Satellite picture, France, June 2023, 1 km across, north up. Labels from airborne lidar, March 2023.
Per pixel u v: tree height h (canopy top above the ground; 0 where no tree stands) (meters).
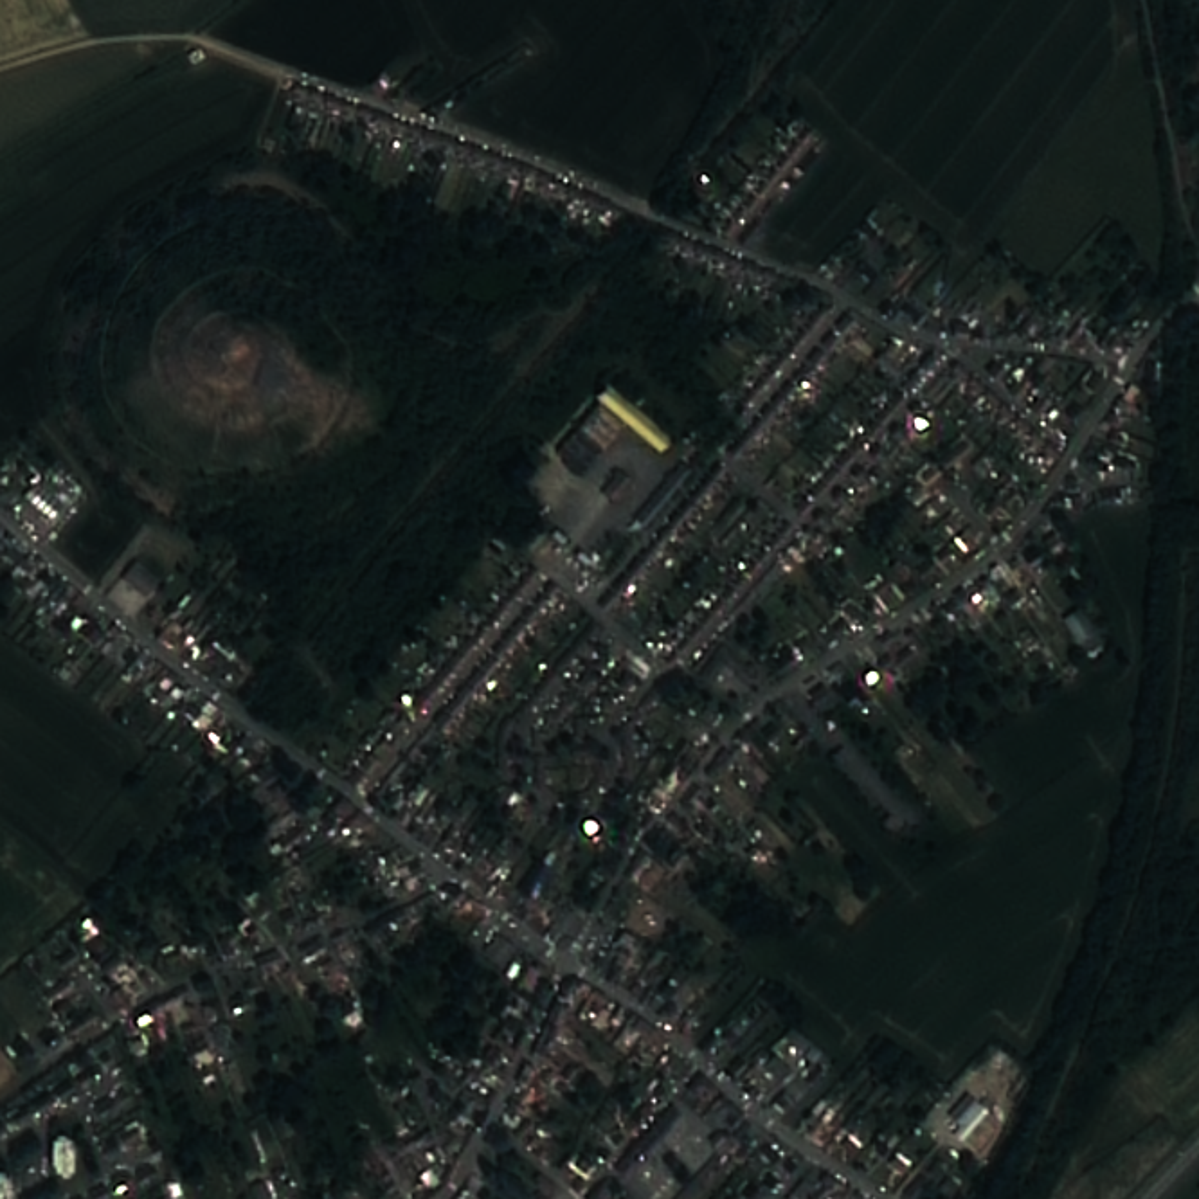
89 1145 14
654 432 0
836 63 0
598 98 0
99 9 0
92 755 0
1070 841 0
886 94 0
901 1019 0
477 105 0
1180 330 12
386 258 14
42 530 0
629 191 0
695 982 11
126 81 0
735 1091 0
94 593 0
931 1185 10
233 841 15
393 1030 0
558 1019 0
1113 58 0
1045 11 0
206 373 0
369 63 0
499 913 0
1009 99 0
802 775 0
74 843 0
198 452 0
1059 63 0
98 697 0
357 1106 0
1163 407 10
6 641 0
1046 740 0
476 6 0
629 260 6
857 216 0
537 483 0
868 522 7
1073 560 15
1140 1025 7
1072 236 0
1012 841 0
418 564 7
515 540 13
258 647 0
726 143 9
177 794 0
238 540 11
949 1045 0
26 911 0
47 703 0
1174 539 7
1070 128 0
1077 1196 0
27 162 0
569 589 0
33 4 0
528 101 0
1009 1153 16
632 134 0
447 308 6
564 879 0
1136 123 0
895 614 0
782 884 0
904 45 0
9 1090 0
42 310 0
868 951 0
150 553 0
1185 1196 0
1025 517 0
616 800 12
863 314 0
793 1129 0
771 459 0
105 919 7
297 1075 14
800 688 0
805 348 0
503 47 0
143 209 6
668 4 0
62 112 0
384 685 0
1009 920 0
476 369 7
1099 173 0
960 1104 0
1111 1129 0
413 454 7
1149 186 0
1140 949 7
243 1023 0
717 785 0
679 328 7
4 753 0
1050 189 0
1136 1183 0
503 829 8
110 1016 0
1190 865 6
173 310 0
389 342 6
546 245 20
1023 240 0
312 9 0
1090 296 0
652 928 0
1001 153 0
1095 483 0
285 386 0
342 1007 9
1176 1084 0
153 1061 8
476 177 0
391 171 0
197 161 0
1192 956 12
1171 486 10
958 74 0
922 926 0
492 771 9
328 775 0
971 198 0
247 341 0
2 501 0
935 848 8
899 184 0
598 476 0
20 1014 0
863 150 0
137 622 0
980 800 0
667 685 12
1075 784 0
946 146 0
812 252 0
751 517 0
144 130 0
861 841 0
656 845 17
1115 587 0
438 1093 14
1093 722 0
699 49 0
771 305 7
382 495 7
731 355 0
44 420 0
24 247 0
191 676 0
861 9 0
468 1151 0
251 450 0
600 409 0
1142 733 12
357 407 0
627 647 0
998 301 0
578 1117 0
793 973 0
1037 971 0
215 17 0
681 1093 0
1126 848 9
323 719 0
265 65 0
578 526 0
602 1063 0
